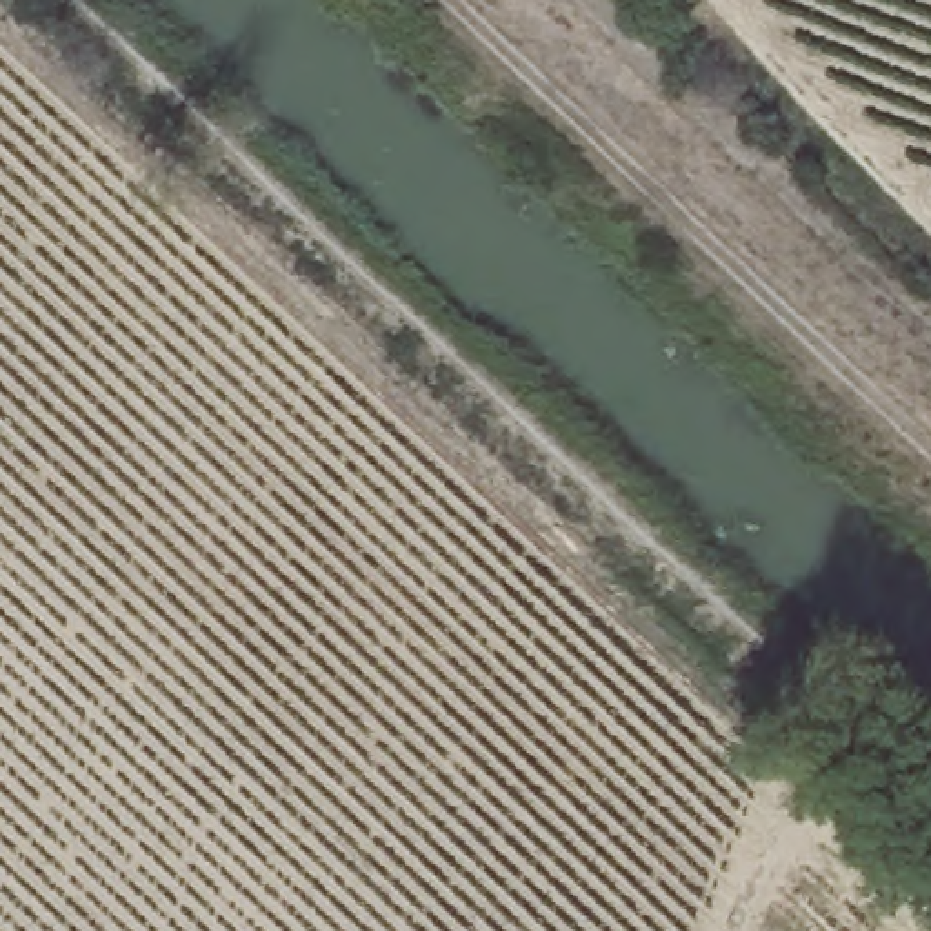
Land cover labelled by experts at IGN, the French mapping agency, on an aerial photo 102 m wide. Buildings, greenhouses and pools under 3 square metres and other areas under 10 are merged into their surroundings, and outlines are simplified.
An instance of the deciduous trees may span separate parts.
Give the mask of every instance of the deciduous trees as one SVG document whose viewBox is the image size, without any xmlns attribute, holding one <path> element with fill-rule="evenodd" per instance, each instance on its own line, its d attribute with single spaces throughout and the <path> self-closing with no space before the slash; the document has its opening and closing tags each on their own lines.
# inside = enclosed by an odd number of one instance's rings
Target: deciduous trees
<svg viewBox="0 0 931 931">
<path fill-rule="evenodd" d="M 320 262 L 309 251 L 295 265 L 298 276 L 324 291 L 335 276 L 335 262 Z"/>
<path fill-rule="evenodd" d="M 636 204 L 626 204 L 618 189 L 607 182 L 607 175 L 596 171 L 596 164 L 586 156 L 586 149 L 560 124 L 553 124 L 553 116 L 531 105 L 527 91 L 520 91 L 513 102 L 484 105 L 480 113 L 466 109 L 466 84 L 480 65 L 480 51 L 444 25 L 440 0 L 316 0 L 324 18 L 356 29 L 371 44 L 378 65 L 404 73 L 415 95 L 429 98 L 473 142 L 480 160 L 502 175 L 506 189 L 524 193 L 538 207 L 546 207 L 553 225 L 567 240 L 575 240 L 607 269 L 611 284 L 629 305 L 651 316 L 651 324 L 666 335 L 684 338 L 691 345 L 691 356 L 706 371 L 720 375 L 735 393 L 742 393 L 749 415 L 764 425 L 764 433 L 778 444 L 782 455 L 789 455 L 804 473 L 836 484 L 858 509 L 869 513 L 855 531 L 840 531 L 833 524 L 822 564 L 793 589 L 775 596 L 756 586 L 746 564 L 724 553 L 727 542 L 716 538 L 716 531 L 706 520 L 698 520 L 698 513 L 691 513 L 680 502 L 676 491 L 669 491 L 658 476 L 644 473 L 604 425 L 589 418 L 586 407 L 571 400 L 556 371 L 535 364 L 527 349 L 502 338 L 509 327 L 502 320 L 476 313 L 473 320 L 466 320 L 415 262 L 404 258 L 396 240 L 382 233 L 353 196 L 345 196 L 331 182 L 331 175 L 313 160 L 313 153 L 298 138 L 291 138 L 284 127 L 262 116 L 251 91 L 229 69 L 218 65 L 215 51 L 204 40 L 189 36 L 182 22 L 167 18 L 149 0 L 87 0 L 116 29 L 124 29 L 153 65 L 178 80 L 204 113 L 211 113 L 236 142 L 244 142 L 244 149 L 276 182 L 284 182 L 349 251 L 356 251 L 378 280 L 385 280 L 476 367 L 484 367 L 567 455 L 586 462 L 629 506 L 629 513 L 636 513 L 680 560 L 702 571 L 735 611 L 756 622 L 760 644 L 724 626 L 709 626 L 709 615 L 698 611 L 698 596 L 687 586 L 662 589 L 662 582 L 655 578 L 651 553 L 629 546 L 618 535 L 600 535 L 589 546 L 593 556 L 611 571 L 611 578 L 629 593 L 640 604 L 655 607 L 658 626 L 698 655 L 695 673 L 735 676 L 738 713 L 753 706 L 767 713 L 771 742 L 786 746 L 786 767 L 793 760 L 807 760 L 807 767 L 818 775 L 836 775 L 851 767 L 858 775 L 858 786 L 866 789 L 862 804 L 876 804 L 891 815 L 887 833 L 920 836 L 927 844 L 924 869 L 931 869 L 931 516 L 924 516 L 913 506 L 913 498 L 895 498 L 887 491 L 887 469 L 855 466 L 855 447 L 840 447 L 844 415 L 818 411 L 811 404 L 793 367 L 764 353 L 749 338 L 749 327 L 738 324 L 735 305 L 720 295 L 720 287 L 709 295 L 695 295 L 684 273 L 684 244 L 669 229 L 651 225 Z"/>
<path fill-rule="evenodd" d="M 887 265 L 887 273 L 913 298 L 931 302 L 931 236 L 786 95 L 786 87 L 753 58 L 753 51 L 716 18 L 716 11 L 706 0 L 611 0 L 618 29 L 655 47 L 662 62 L 662 95 L 669 102 L 684 98 L 687 91 L 709 98 L 720 84 L 735 84 L 735 91 L 742 95 L 735 109 L 742 145 L 789 164 L 796 189 L 836 225 L 844 225 L 858 240 L 858 251 Z"/>
<path fill-rule="evenodd" d="M 440 400 L 462 378 L 455 367 L 429 353 L 418 331 L 393 327 L 382 342 L 385 360 L 396 364 L 400 375 L 429 389 L 433 400 Z"/>
<path fill-rule="evenodd" d="M 138 124 L 135 138 L 142 149 L 164 149 L 171 160 L 185 164 L 207 149 L 207 138 L 207 131 L 185 116 L 178 102 L 171 102 L 164 91 L 142 87 L 131 62 L 62 0 L 0 0 L 0 4 L 11 11 L 15 22 L 33 25 L 58 44 L 62 62 L 76 76 L 80 91 L 98 98 L 102 113 L 120 109 Z"/>
</svg>

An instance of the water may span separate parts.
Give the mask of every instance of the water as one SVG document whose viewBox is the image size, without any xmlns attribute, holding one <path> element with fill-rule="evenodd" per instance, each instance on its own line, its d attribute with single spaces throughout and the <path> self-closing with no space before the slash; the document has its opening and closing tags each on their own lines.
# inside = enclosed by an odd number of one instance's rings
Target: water
<svg viewBox="0 0 931 931">
<path fill-rule="evenodd" d="M 404 258 L 415 262 L 466 320 L 473 320 L 476 313 L 502 320 L 509 327 L 502 338 L 527 349 L 535 364 L 556 371 L 571 400 L 586 407 L 589 418 L 604 425 L 644 473 L 658 476 L 669 491 L 676 491 L 680 502 L 691 513 L 698 513 L 698 520 L 706 520 L 716 531 L 716 538 L 727 542 L 724 553 L 746 564 L 756 586 L 775 596 L 793 589 L 822 564 L 833 524 L 840 531 L 855 531 L 869 513 L 858 509 L 836 484 L 804 473 L 789 455 L 782 455 L 778 444 L 764 433 L 764 425 L 749 415 L 742 393 L 735 393 L 720 375 L 706 371 L 691 356 L 691 345 L 684 338 L 666 335 L 651 324 L 651 316 L 629 305 L 611 284 L 607 269 L 575 240 L 567 240 L 553 225 L 546 207 L 538 207 L 524 193 L 506 189 L 502 175 L 480 160 L 473 142 L 429 98 L 415 95 L 404 73 L 378 65 L 371 44 L 356 29 L 324 18 L 316 0 L 149 0 L 167 18 L 182 22 L 189 36 L 204 40 L 215 51 L 218 65 L 229 69 L 251 91 L 262 116 L 284 127 L 291 138 L 298 138 L 313 153 L 313 160 L 331 175 L 331 182 L 345 196 L 353 196 L 382 233 L 396 240 Z"/>
</svg>

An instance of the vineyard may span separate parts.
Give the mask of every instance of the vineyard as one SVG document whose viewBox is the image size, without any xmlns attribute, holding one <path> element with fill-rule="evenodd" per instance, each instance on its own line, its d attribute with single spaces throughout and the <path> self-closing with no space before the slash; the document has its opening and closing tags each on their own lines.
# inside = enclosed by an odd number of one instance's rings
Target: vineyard
<svg viewBox="0 0 931 931">
<path fill-rule="evenodd" d="M 866 95 L 866 120 L 902 131 L 906 156 L 920 167 L 931 167 L 931 0 L 764 0 L 767 7 L 786 15 L 782 29 L 796 44 L 826 55 L 829 80 Z"/>
<path fill-rule="evenodd" d="M 822 822 L 822 869 L 796 866 L 789 873 L 793 887 L 782 887 L 778 902 L 764 913 L 760 931 L 931 931 L 931 869 L 924 869 L 927 844 L 920 836 L 887 833 L 891 815 L 876 804 L 862 804 L 866 789 L 858 786 L 858 775 L 851 767 L 836 775 L 818 775 L 807 767 L 807 760 L 793 760 L 786 767 L 786 746 L 771 742 L 767 713 L 753 706 L 738 713 L 735 676 L 695 673 L 687 676 L 673 662 L 666 662 L 647 636 L 626 626 L 618 607 L 629 593 L 611 578 L 611 571 L 593 556 L 589 546 L 582 546 L 564 527 L 564 520 L 531 487 L 513 480 L 513 473 L 458 425 L 458 418 L 440 400 L 433 400 L 429 389 L 400 375 L 396 364 L 385 360 L 382 342 L 371 338 L 324 291 L 298 276 L 295 265 L 265 240 L 258 225 L 244 222 L 229 204 L 211 196 L 204 182 L 193 182 L 193 171 L 185 164 L 171 160 L 164 149 L 142 149 L 135 138 L 138 124 L 120 109 L 102 113 L 98 98 L 80 91 L 76 76 L 62 62 L 58 44 L 33 25 L 15 22 L 11 11 L 0 4 L 0 931 L 691 931 L 698 913 L 713 909 L 713 895 L 720 887 L 709 873 L 731 869 L 731 847 L 742 833 L 738 822 L 727 811 L 720 811 L 706 796 L 706 789 L 698 789 L 698 778 L 709 789 L 720 789 L 727 807 L 749 807 L 756 782 L 789 782 L 789 815 L 800 822 Z"/>
</svg>

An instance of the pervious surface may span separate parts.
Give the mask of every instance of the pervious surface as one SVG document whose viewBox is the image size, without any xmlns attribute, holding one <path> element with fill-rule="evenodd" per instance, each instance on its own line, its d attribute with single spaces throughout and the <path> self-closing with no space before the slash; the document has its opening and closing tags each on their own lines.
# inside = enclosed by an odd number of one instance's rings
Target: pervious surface
<svg viewBox="0 0 931 931">
<path fill-rule="evenodd" d="M 276 182 L 244 149 L 244 142 L 236 142 L 211 113 L 204 113 L 178 80 L 153 65 L 124 29 L 116 29 L 87 0 L 62 0 L 131 62 L 142 87 L 164 91 L 171 102 L 178 102 L 185 116 L 207 131 L 207 138 L 222 145 L 222 153 L 284 215 L 291 215 L 284 236 L 302 240 L 309 251 L 320 262 L 335 262 L 335 276 L 356 280 L 367 291 L 367 313 L 378 313 L 393 327 L 418 331 L 429 353 L 455 367 L 462 378 L 498 411 L 498 422 L 509 433 L 520 433 L 549 458 L 549 476 L 571 476 L 575 484 L 582 484 L 589 506 L 607 513 L 618 524 L 618 535 L 629 546 L 651 553 L 655 578 L 662 582 L 662 589 L 687 586 L 698 596 L 698 611 L 709 615 L 709 626 L 724 626 L 760 644 L 756 622 L 735 611 L 702 571 L 680 560 L 636 513 L 629 513 L 629 506 L 586 462 L 567 455 L 484 367 L 476 367 L 385 280 L 378 280 L 356 251 L 349 251 L 284 182 Z"/>
</svg>

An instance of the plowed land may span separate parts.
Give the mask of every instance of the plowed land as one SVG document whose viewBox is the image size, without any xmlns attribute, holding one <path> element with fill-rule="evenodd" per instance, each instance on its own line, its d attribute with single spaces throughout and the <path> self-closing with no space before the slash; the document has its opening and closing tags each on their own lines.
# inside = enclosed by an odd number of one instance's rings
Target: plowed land
<svg viewBox="0 0 931 931">
<path fill-rule="evenodd" d="M 706 0 L 716 11 L 716 18 L 753 51 L 753 58 L 786 87 L 786 95 L 931 236 L 931 167 L 920 167 L 906 156 L 902 131 L 866 120 L 866 95 L 829 80 L 826 55 L 796 44 L 782 29 L 786 15 L 767 7 L 764 0 Z"/>
<path fill-rule="evenodd" d="M 698 789 L 706 789 L 706 796 L 720 811 L 727 811 L 738 822 L 742 833 L 731 847 L 731 869 L 709 873 L 720 887 L 713 895 L 713 909 L 698 913 L 691 931 L 760 931 L 764 913 L 778 902 L 782 887 L 793 887 L 789 873 L 796 866 L 822 869 L 822 822 L 800 822 L 789 815 L 789 782 L 756 782 L 749 807 L 727 807 L 720 789 L 709 789 L 698 778 Z"/>
</svg>

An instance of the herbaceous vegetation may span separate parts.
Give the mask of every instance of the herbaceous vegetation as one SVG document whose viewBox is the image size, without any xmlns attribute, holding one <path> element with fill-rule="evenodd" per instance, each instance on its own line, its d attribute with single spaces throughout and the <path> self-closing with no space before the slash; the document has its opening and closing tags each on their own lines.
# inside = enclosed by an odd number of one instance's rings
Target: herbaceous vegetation
<svg viewBox="0 0 931 931">
<path fill-rule="evenodd" d="M 229 204 L 244 222 L 258 225 L 265 240 L 295 265 L 309 251 L 302 240 L 284 236 L 291 215 L 284 215 L 222 153 L 222 145 L 207 138 L 207 149 L 185 164 L 193 171 L 193 182 L 204 182 L 211 196 Z"/>
<path fill-rule="evenodd" d="M 618 607 L 626 626 L 647 636 L 666 662 L 673 662 L 687 676 L 695 673 L 698 655 L 658 626 L 655 607 L 640 604 L 629 593 Z"/>
<path fill-rule="evenodd" d="M 382 342 L 393 327 L 378 313 L 367 313 L 367 291 L 356 280 L 335 276 L 324 291 L 371 338 Z"/>
<path fill-rule="evenodd" d="M 480 113 L 484 105 L 513 102 L 520 91 L 527 91 L 531 105 L 553 116 L 553 124 L 560 124 L 586 149 L 586 156 L 596 164 L 596 171 L 607 175 L 607 182 L 618 189 L 626 204 L 636 204 L 651 225 L 669 229 L 684 244 L 684 273 L 695 295 L 709 295 L 720 287 L 720 295 L 735 305 L 738 324 L 749 327 L 749 338 L 764 353 L 793 367 L 811 404 L 818 411 L 844 415 L 840 447 L 855 447 L 855 466 L 887 469 L 887 491 L 895 498 L 913 498 L 913 506 L 924 516 L 931 516 L 931 302 L 913 298 L 887 273 L 887 265 L 858 251 L 858 240 L 844 225 L 836 225 L 796 189 L 789 164 L 742 145 L 735 109 L 742 95 L 735 91 L 735 84 L 720 84 L 709 98 L 687 91 L 684 98 L 669 102 L 662 95 L 662 62 L 655 47 L 618 29 L 611 0 L 440 0 L 444 25 L 480 51 L 480 65 L 466 84 L 466 109 Z"/>
<path fill-rule="evenodd" d="M 618 535 L 618 524 L 607 513 L 589 506 L 582 484 L 575 484 L 571 476 L 549 476 L 549 458 L 520 433 L 509 433 L 498 422 L 498 411 L 462 378 L 440 400 L 458 418 L 458 425 L 513 473 L 513 480 L 531 487 L 564 520 L 564 527 L 582 546 L 589 546 L 600 535 Z"/>
</svg>

